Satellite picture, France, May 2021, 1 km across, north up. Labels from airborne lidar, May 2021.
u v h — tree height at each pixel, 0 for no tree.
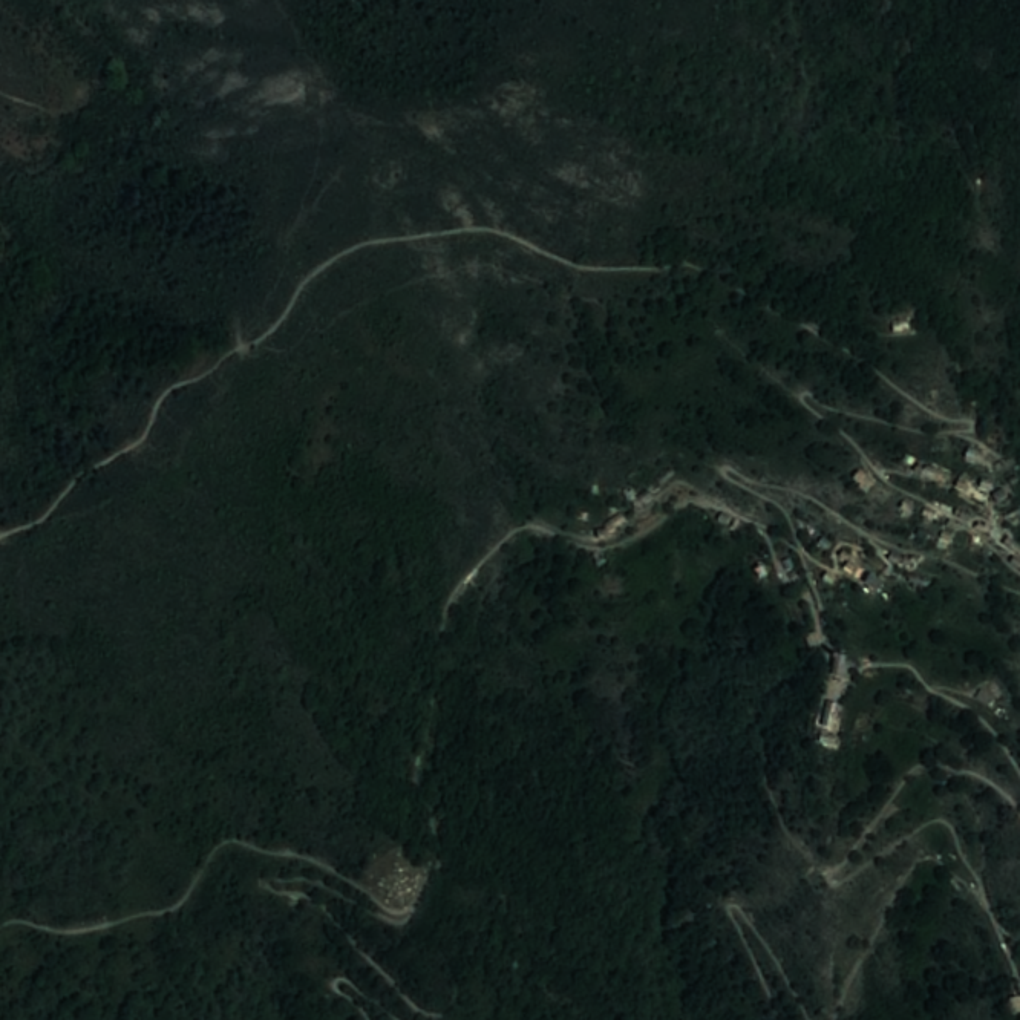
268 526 6
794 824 6
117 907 8
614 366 11
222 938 17
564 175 0
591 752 11
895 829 15
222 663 10
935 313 12
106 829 13
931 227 22
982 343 9
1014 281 10
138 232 17
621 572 8
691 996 14
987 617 11
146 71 8
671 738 23
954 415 0
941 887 6
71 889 11
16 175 6
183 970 17
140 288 8
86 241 7
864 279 13
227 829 9
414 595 18
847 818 11
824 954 0
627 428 16
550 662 10
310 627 6
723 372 10
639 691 7
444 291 0
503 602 9
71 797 15
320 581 16
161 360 13
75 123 7
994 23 18
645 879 17
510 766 16
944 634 11
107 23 8
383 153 0
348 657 8
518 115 0
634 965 10
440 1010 7
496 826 20
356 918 14
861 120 15
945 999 13
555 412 10
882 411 7
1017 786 0
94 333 15
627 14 6
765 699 20
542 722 16
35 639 10
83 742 20
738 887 9
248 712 8
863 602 0
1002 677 6
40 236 6
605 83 7
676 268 16
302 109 0
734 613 21
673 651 12
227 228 18
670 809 18
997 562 9
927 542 7
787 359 10
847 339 13
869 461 0
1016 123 7
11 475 13
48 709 13
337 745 17
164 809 6
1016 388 8
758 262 18
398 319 9
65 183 7
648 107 10
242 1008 12
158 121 14
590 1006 17
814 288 17
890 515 0
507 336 8
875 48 13
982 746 15
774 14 8
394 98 6
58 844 8
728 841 13
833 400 9
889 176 18
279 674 11
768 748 10
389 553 7
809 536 6
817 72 15
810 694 19
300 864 12
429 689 18
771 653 20
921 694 11
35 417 20
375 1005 9
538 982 19
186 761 12
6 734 17
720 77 9
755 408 6
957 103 9
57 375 17
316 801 12
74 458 19
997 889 0
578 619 13
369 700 9
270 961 12
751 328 6
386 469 5
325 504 7
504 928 9
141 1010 16
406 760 20
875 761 8
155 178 19
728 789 14
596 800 13
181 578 7
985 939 8
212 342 16
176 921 9
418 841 8
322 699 22
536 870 16
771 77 17
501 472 7
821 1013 6
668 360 25
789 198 12
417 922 13
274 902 8
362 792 13
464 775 14
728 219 8
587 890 17
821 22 8
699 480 0
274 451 7
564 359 10
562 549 13
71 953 13
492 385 9
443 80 8
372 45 8
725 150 7
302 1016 30
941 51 22
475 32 8
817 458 11
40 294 9
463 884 7
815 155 16
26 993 6
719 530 7
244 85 0
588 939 15
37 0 6
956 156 7
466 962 13
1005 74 17
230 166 6
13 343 13
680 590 13
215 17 0
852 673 9
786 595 16
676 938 16
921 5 16
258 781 13
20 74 0
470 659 9
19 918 8
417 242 0
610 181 0
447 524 5
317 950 6
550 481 7
